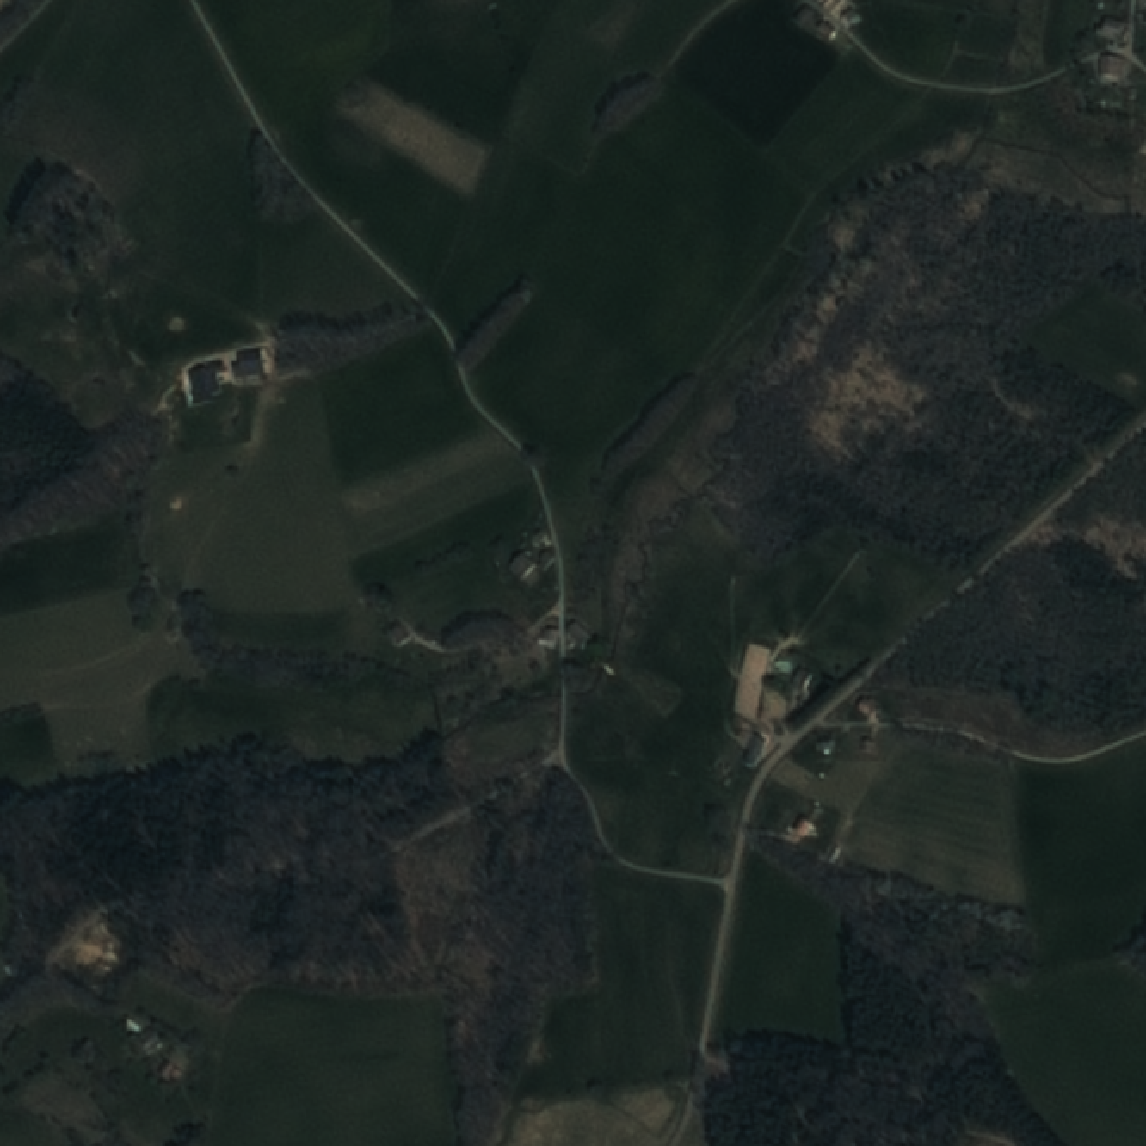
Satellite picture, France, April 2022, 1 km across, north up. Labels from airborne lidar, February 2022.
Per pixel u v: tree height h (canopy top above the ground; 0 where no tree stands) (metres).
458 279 0
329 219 0
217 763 25
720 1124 23
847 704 0
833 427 0
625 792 0
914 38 0
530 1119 0
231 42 0
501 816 12
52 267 0
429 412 0
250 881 29
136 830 18
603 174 0
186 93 0
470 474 0
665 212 0
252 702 0
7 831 27
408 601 0
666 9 0
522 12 0
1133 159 0
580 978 24
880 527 9
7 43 18
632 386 0
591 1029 0
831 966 0
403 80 0
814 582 0
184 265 0
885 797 0
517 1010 28
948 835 0
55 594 0
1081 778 0
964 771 0
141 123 0
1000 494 13
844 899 27
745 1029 0
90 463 23
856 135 0
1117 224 8
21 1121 0
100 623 0
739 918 0
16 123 15
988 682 9
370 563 0
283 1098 0
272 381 0
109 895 20
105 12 0
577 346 0
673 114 0
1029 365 8
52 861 18
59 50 0
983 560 13
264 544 0
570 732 0
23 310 0
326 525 0
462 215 0
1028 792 0
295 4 0
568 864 27
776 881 0
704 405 0
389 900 7
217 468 0
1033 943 12
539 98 0
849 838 0
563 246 0
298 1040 0
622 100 18
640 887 0
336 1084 0
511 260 0
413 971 23
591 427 0
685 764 0
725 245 0
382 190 0
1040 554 10
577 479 0
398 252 0
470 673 7
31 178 0
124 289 0
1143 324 0
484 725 0
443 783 27
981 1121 28
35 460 17
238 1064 0
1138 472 10
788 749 0
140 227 0
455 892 0
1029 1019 0
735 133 0
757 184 0
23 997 25
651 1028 0
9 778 0
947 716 0
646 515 0
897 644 0
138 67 0
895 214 10
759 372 14
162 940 6
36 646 0
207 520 0
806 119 0
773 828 0
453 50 0
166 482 0
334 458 0
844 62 0
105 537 0
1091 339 0
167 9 0
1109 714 10
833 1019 0
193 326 0
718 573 0
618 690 0
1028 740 0
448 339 0
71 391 0
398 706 0
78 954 0
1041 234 7
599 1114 0
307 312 0
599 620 0
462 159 0
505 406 0
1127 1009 0
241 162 0
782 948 0
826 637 0
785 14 0
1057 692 17
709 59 0
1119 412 11
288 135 0
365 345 30
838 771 0
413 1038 0
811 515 9
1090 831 0
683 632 0
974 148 0
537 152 0
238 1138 0
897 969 29
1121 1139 0
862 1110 27
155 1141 0
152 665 0
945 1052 22
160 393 0
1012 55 0
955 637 11
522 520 0
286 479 0
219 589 0
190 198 0
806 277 0
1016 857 0
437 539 0
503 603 0
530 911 25
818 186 0
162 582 0
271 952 27
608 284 0
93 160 0
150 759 0
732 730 0
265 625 0
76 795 30
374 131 0
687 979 0
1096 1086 0
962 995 30
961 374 11
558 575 0
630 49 0
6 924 0
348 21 0
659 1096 0
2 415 23
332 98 0
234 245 0
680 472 0
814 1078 29
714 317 0
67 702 0
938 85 0
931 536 8
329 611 0
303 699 0
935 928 23
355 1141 0
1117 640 10
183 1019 0
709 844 0
